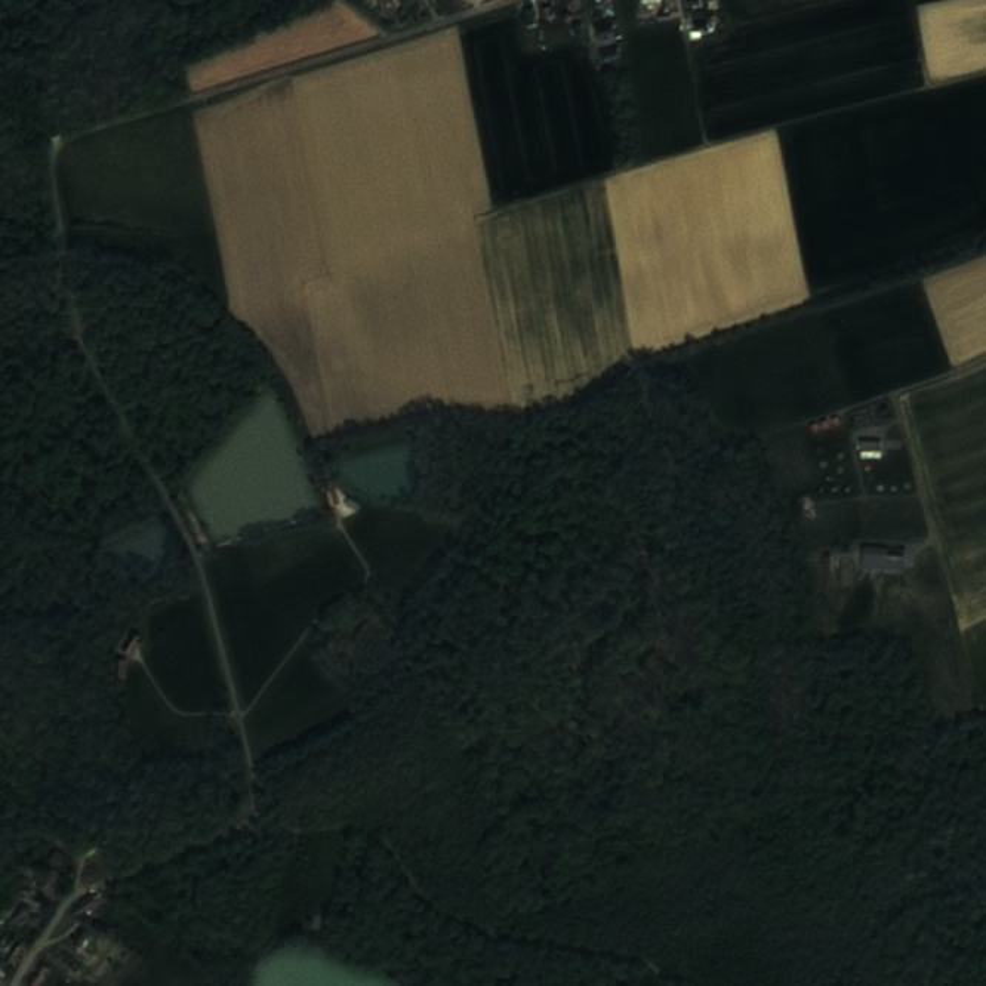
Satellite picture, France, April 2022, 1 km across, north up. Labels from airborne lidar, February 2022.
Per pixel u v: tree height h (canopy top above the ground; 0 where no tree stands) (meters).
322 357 0
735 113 0
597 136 0
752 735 26
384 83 0
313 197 0
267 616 0
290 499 0
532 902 23
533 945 21
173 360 27
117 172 0
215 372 26
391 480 0
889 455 0
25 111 15
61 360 26
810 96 0
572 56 0
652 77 0
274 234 0
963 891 21
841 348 0
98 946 0
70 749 33
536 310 0
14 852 28
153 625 0
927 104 0
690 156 0
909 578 0
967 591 0
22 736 32
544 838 30
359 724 18
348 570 0
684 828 23
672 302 0
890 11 0
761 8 0
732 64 0
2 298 31
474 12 0
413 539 0
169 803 33
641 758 31
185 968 0
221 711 12
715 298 0
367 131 0
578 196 0
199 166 0
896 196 0
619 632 31
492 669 33
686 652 32
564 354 0
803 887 15
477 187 0
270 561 0
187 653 0
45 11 30
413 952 24
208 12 28
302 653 0
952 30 0
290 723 0
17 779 30
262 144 0
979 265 0
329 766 22
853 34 0
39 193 27
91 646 30
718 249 0
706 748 27
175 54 26
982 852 8
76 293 26
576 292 0
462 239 0
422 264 0
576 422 18
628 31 0
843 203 0
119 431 28
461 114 0
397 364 0
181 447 8
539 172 0
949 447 0
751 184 0
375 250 0
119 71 35
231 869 24
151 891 26
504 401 0
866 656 28
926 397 0
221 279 0
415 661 20
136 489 26
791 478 0
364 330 0
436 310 0
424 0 0
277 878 21
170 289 12
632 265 0
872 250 0
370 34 0
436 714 21
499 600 26
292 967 0
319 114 0
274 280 0
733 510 32
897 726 21
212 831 25
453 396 0
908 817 20
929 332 0
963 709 0
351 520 0
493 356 0
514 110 0
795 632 22
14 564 31
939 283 0
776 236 0
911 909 24
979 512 0
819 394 0
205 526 12
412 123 0
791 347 0
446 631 27
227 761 25
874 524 0
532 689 25
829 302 14
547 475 27
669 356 12
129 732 27
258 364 24
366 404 0
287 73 0
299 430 0
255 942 23
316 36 0
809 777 26
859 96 0
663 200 0
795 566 20
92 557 13
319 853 0
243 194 0
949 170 0
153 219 0
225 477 0
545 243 0
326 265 0
